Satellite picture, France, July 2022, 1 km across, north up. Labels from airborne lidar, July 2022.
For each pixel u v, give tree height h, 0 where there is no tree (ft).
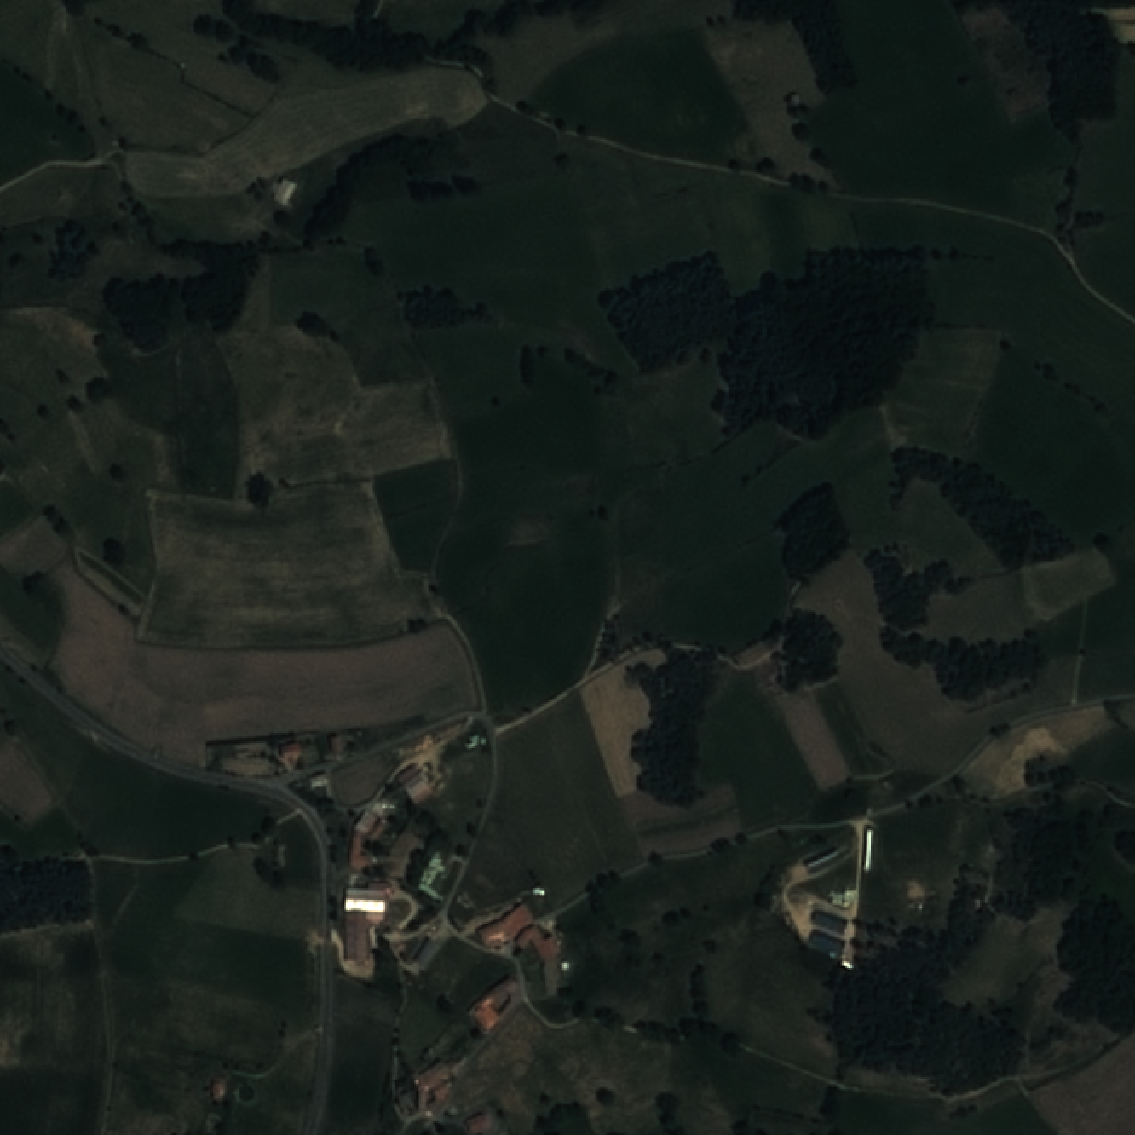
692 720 31
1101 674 0
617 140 0
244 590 0
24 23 0
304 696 0
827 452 0
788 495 0
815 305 60
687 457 0
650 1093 0
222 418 0
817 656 31
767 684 0
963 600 0
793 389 69
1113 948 65
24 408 0
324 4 0
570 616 0
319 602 0
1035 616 0
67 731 0
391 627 0
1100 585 0
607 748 0
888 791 0
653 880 0
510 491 0
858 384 62
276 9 0
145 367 0
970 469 34
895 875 0
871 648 0
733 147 0
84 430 0
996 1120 0
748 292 0
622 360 0
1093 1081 0
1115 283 0
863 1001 43
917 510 0
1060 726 0
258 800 0
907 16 0
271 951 0
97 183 0
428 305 40
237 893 0
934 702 0
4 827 0
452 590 0
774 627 33
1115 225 0
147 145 0
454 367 0
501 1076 0
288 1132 0
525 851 0
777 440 0
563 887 0
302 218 0
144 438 0
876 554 30
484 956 0
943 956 40
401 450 0
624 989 0
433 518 0
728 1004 0
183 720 0
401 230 0
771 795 0
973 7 51
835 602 0
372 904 0
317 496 0
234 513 0
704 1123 0
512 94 0
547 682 0
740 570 0
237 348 0
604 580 0
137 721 0
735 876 0
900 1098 0
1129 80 0
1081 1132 0
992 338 0
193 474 0
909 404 0
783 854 0
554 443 0
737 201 0
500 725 0
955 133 0
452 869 0
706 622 0
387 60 61
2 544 0
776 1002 0
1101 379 0
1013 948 0
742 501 0
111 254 0
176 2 0
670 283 74
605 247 0
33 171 0
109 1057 0
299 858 0
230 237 0
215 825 0
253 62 53
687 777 37
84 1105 0
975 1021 36
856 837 0
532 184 0
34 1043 0
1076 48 64
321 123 0
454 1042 0
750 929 0
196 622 0
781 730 0
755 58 0
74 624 0
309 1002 0
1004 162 0
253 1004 0
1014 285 0
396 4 0
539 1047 0
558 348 0
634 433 0
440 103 0
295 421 0
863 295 53
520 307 0
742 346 55
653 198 0
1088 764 0
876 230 0
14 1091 0
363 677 0
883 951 44
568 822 0
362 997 0
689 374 0
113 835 0
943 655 35
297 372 0
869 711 0
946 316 0
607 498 0
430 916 38
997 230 0
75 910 54
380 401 0
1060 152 0
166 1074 0
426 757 0
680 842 0
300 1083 0
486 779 0
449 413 0
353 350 0
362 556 0
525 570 0
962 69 0
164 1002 0
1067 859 53
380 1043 0
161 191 0
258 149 0
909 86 0
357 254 0
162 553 0
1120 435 0
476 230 0
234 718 0
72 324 0
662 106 0
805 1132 0
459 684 0
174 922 0
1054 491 0
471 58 30
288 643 0
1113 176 0
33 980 0
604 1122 0
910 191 0
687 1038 41
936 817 0
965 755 0
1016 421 0
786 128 0
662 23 0
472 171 0
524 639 0
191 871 0
